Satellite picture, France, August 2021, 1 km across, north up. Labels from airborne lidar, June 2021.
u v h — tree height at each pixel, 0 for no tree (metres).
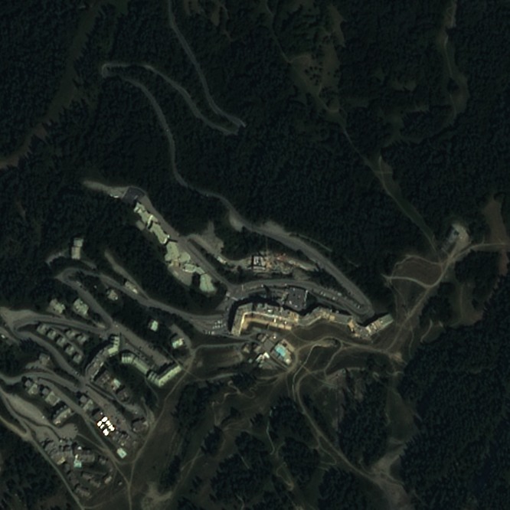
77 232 10
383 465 0
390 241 11
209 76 15
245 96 15
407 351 0
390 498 0
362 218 17
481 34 15
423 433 26
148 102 24
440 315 12
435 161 24
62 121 8
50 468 12
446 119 14
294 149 12
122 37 17
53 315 0
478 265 11
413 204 18
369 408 19
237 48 15
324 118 6
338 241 29
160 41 29
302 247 0
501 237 0
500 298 11
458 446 30
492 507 29
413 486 24
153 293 10
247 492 17
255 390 0
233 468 21
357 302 0
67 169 9
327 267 0
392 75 16
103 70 0
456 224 0
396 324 0
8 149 9
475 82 12
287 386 0
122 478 0
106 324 0
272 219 22
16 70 13
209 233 0
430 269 0
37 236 6
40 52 22
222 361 0
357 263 13
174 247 0
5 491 0
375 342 0
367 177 25
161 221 0
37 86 22
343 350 0
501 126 23
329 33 10
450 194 23
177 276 0
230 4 24
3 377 0
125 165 17
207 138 12
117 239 15
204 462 0
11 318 0
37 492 22
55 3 28
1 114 7
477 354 27
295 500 23
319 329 0
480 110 15
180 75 31
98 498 0
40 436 0
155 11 17
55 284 12
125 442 0
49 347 0
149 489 0
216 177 9
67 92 0
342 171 18
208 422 0
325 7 12
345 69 15
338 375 0
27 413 0
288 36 14
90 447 0
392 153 16
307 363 0
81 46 0
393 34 15
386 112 15
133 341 0
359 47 29
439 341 13
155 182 18
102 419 0
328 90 8
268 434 0
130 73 13
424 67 22
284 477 0
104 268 13
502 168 15
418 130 28
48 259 0
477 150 30
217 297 0
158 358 0
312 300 9
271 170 12
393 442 0
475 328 8
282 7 11
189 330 10
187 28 21
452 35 15
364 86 20
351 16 15
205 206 13
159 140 27
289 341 0
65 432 0
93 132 8
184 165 21
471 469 10
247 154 13
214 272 0
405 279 0
